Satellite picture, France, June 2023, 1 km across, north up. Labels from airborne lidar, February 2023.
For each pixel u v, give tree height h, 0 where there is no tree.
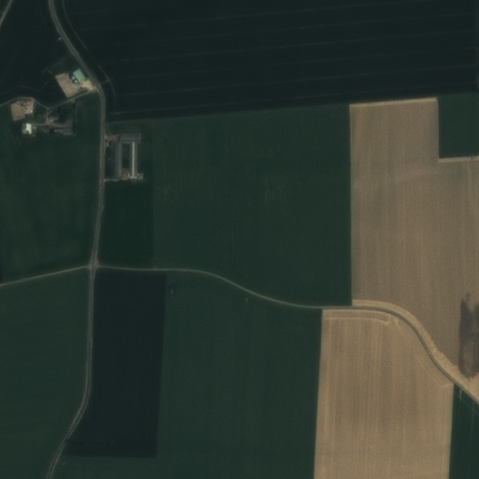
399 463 0
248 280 0
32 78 0
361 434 0
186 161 0
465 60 0
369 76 0
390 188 0
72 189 0
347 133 0
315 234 0
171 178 0
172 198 0
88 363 0
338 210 0
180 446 0
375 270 0
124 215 0
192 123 0
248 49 0
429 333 0
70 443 8
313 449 0
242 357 0
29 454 0
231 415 0
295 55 0
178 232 0
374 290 0
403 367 0
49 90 0
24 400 0
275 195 0
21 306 0
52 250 0
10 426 0
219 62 0
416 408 0
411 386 0
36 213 0
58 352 0
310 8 0
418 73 0
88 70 0
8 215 0
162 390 0
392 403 0
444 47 0
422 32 0
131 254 0
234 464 0
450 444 0
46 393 0
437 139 0
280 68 0
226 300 0
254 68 0
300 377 0
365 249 0
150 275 0
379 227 0
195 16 0
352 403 0
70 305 0
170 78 0
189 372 0
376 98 0
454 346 0
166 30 0
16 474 0
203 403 0
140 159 0
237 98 0
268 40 0
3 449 0
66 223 0
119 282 0
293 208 0
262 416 0
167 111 0
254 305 0
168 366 0
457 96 0
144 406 0
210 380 0
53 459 0
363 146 0
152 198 0
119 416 0
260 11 0
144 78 0
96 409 0
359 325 0
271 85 0
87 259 0
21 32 0
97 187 0
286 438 0
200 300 0
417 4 0
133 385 0
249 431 0
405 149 0
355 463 0
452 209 0
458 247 0
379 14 0
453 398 0
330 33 0
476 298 0
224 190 0
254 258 0
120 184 6
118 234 0
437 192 0
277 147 0
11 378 0
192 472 0
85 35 0
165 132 0
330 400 0
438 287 0
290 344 0
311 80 0
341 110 0
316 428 0
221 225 0
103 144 0
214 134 0
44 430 0
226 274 0
